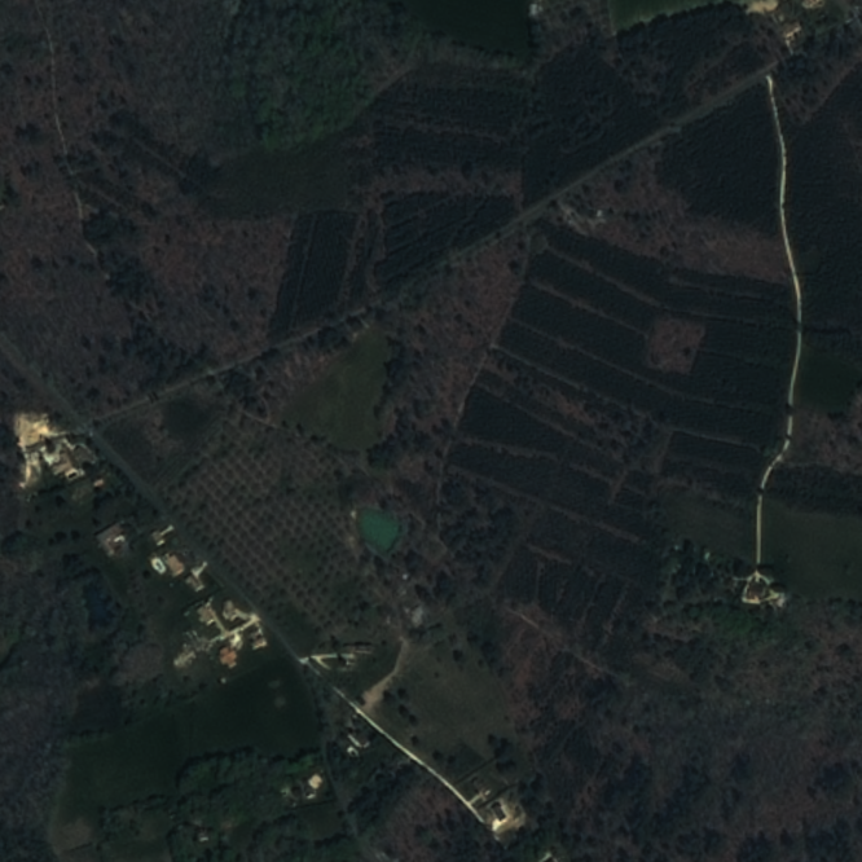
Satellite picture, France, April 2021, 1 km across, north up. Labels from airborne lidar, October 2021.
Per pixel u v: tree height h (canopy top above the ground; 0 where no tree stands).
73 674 15
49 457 0
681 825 23
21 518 0
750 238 10
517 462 8
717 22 17
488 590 25
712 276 11
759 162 8
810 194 9
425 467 0
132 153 6
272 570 11
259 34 21
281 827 17
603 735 13
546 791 15
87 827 0
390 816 17
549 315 9
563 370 7
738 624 20
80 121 9
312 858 23
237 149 9
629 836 19
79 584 17
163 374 22
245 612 0
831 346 14
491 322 5
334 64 24
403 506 11
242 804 17
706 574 14
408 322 10
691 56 16
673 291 9
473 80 7
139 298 13
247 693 0
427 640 19
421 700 0
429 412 12
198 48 21
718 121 9
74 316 13
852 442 9
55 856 13
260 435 11
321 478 6
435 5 0
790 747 9
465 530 15
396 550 6
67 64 10
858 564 0
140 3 14
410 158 7
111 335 9
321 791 8
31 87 16
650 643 21
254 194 6
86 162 22
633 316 8
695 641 11
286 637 0
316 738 0
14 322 12
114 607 16
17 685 15
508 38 0
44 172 19
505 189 8
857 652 16
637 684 7
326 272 8
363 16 18
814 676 13
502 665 13
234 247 6
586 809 7
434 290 13
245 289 6
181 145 9
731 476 8
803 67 18
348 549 8
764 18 13
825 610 10
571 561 8
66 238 11
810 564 0
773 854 30
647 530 9
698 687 24
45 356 12
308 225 10
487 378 8
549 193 7
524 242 13
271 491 11
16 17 11
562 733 7
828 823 8
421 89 8
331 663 0
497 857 21
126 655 11
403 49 18
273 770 22
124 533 8
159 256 7
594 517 6
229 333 11
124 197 9
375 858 0
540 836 15
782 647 10
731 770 11
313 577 7
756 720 21
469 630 7
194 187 10
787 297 9
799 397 0
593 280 9
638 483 8
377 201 6
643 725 8
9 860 23
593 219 10
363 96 16
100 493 14
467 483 6
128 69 14
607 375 9
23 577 14
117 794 0
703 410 9
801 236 7
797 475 8
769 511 0
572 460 7
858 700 25
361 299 9
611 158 10
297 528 9
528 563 6
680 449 7
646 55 16
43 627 11
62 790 22
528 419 7
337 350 12
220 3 21
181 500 10
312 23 24
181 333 13
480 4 0
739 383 10
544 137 8
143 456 0
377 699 0
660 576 10
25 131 6
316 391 0
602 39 13
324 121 24
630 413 6
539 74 9
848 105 9
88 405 13
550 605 10
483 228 10
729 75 8
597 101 14
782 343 7
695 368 8
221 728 0
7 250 7
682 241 11
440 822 12
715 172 9
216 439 9
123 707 9
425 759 0
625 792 9
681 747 16
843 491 8
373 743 12
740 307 9
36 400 8
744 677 14
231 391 18
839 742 8
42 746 11
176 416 0
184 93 19
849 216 9
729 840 15
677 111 15
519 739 10
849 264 8
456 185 10
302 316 10
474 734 0
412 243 9
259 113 22
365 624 12
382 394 0
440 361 17
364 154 7
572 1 8
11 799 15
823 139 9
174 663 0
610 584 7
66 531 0
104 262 12
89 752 0
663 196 8
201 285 6
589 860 8
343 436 0
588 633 9
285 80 23
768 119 9
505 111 8
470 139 9
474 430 10
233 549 10
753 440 10
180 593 0
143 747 0
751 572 7
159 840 0
